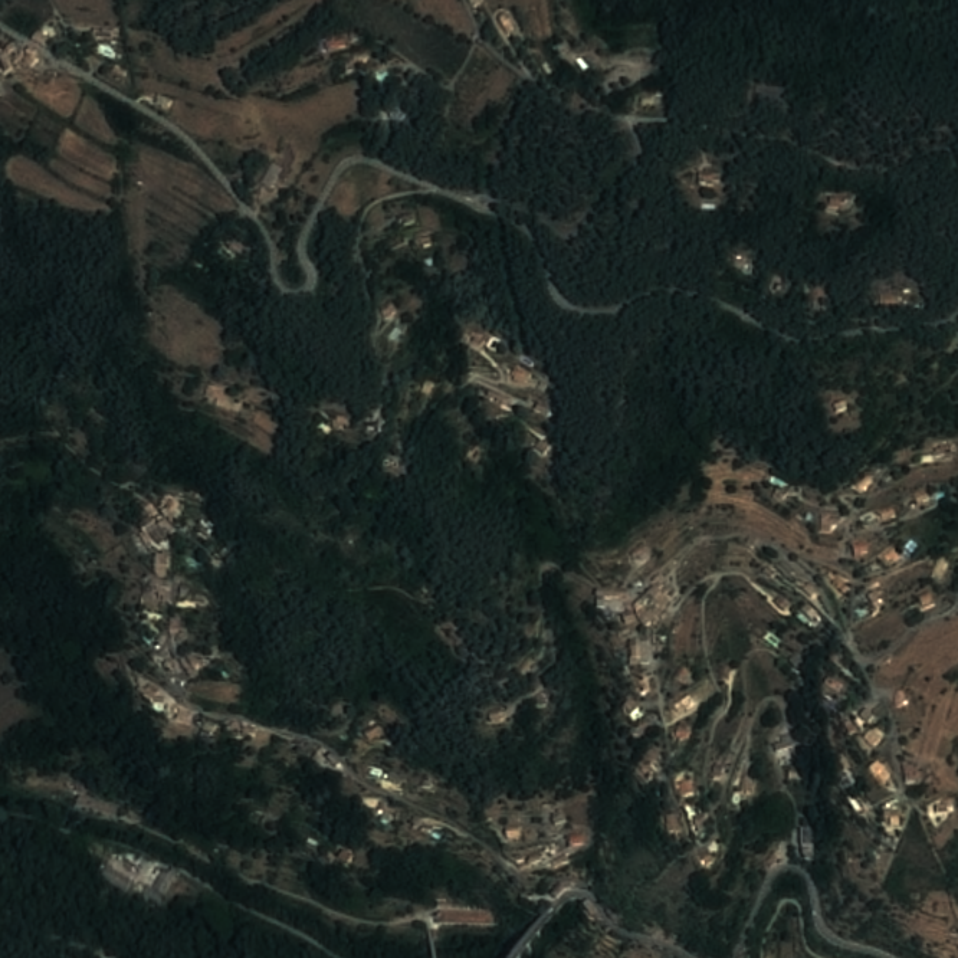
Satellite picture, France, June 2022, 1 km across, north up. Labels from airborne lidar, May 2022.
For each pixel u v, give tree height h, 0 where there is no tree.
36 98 0
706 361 13
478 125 10
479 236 11
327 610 6
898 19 13
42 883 14
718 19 21
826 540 0
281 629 23
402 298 8
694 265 21
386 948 22
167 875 0
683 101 22
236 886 23
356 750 6
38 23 7
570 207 22
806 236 11
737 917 8
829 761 17
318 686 18
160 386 7
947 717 0
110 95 7
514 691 21
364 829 12
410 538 16
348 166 0
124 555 6
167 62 0
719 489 0
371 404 20
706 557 0
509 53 6
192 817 11
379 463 21
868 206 10
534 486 17
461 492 7
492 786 22
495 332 17
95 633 15
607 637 5
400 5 12
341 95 0
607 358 23
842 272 20
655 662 0
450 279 15
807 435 25
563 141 24
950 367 8
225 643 8
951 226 23
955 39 21
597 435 23
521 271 23
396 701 17
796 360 21
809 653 7
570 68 17
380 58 19
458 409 22
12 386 20
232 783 10
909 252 20
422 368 10
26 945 19
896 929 7
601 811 15
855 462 19
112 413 10
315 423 8
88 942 11
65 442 8
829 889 9
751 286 8
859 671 14
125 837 16
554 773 7
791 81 17
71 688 9
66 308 26
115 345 15
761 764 8
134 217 0
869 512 0
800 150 22
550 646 8
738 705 9
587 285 21
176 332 0
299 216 7
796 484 11
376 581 6
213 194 0
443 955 16
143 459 16
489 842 8
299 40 20
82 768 9
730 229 17
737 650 0
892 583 0
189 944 16
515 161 19
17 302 24
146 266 7
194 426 15
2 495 12
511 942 14
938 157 16
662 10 8
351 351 20
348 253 22
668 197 21
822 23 18
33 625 23
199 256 10
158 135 7
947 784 0
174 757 20
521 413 25
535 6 0
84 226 7
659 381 9
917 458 9
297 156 0
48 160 14
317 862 6
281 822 7
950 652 0
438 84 19
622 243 21
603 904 14
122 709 14
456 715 21
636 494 11
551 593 21
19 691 11
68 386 16
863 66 16
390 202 6
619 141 19
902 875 7
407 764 6
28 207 12
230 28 20
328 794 15
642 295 22
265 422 0
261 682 14
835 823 12
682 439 6
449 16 0
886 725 8
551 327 19
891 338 11
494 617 22
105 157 0
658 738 15
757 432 12
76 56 6
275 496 19
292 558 11
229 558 14
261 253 16
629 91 10
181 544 14
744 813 11
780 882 7
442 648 6
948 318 20
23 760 9
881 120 18
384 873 8
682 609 0
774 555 12
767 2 18
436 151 22
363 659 21
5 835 26
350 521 16
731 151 7
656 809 10
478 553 19
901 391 8
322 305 11
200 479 19
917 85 17
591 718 7
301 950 12
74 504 10
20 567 21
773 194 13
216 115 0
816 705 11
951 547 9
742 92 21
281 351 16
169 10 20
